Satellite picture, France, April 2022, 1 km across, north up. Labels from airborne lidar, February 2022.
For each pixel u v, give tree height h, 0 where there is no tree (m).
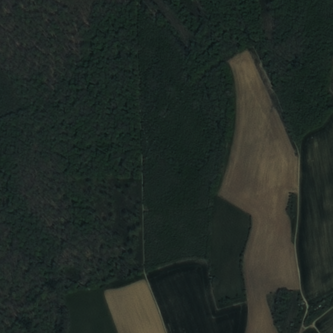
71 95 27
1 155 24
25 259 29
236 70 0
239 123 0
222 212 0
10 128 26
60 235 29
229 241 0
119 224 0
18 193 28
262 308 0
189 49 13
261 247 0
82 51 31
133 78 27
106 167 27
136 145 28
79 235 33
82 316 0
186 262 0
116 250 26
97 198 28
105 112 28
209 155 14
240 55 0
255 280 0
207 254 9
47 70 30
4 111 12
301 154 0
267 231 0
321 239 0
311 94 20
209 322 0
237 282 0
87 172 26
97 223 25
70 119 27
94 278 31
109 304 0
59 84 27
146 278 0
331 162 0
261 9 21
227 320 0
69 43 33
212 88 22
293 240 0
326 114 21
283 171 0
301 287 0
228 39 21
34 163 28
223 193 0
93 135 26
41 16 30
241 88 0
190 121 14
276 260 0
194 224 6
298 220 0
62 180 30
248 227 0
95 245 30
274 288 0
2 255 31
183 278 0
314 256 0
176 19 0
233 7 18
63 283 25
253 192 0
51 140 26
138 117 22
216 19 23
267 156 0
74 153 25
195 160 15
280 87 24
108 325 0
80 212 29
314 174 0
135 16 28
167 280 0
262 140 0
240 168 0
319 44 18
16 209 26
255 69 0
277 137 0
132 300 0
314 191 0
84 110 28
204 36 24
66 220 27
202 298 0
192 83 21
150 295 0
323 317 0
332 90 0
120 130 28
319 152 0
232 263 0
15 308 28
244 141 0
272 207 0
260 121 0
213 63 28
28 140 26
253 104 0
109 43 28
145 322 0
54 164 30
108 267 28
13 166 22
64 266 28
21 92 29
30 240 27
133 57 25
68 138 30
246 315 0
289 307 19
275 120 0
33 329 26
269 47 30
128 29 26
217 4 27
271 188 0
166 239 7
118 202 0
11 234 28
